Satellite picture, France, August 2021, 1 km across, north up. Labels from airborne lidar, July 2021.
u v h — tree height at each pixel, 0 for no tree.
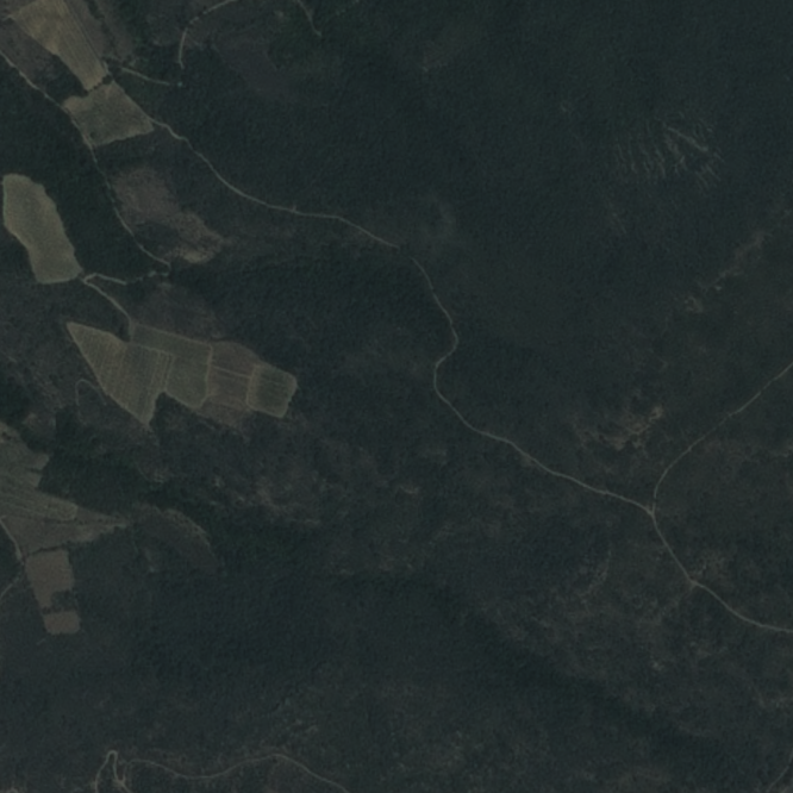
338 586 8
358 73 7
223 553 11
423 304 11
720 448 0
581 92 6
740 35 5
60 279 0
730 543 6
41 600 0
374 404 6
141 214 0
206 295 8
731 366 5
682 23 7
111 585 0
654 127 7
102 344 0
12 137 7
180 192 6
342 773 0
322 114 5
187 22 6
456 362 6
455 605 11
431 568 7
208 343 0
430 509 8
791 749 0
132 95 7
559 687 9
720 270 0
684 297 0
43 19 0
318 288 7
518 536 7
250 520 8
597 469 0
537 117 6
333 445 0
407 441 6
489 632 7
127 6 9
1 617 0
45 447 7
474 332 8
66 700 0
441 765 0
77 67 0
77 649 0
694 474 0
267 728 0
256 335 6
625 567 0
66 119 11
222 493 7
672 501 0
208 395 0
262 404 0
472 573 6
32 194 0
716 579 0
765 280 0
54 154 13
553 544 6
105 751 0
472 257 0
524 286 0
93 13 6
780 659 0
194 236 0
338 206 6
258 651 6
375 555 7
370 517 8
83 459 8
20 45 0
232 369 0
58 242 0
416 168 6
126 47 0
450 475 6
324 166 6
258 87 0
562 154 5
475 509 6
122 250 7
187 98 8
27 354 6
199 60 8
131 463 6
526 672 11
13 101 7
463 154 8
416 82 6
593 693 12
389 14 6
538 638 6
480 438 6
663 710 5
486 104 5
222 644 6
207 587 6
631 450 5
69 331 0
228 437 6
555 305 0
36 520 0
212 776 0
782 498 0
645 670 6
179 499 7
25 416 11
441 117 6
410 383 6
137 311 0
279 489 0
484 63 5
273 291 7
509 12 15
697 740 7
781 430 7
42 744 0
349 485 6
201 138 11
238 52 0
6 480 0
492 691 6
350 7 7
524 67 6
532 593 6
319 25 11
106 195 10
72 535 0
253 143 8
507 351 6
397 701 0
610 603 0
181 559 6
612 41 7
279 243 6
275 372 0
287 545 12
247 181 6
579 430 0
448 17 6
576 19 6
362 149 6
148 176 0
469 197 5
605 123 7
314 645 6
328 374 9
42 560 0
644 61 6
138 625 7
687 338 0
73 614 0
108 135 0
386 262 6
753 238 0
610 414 0
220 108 10
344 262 9
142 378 0
